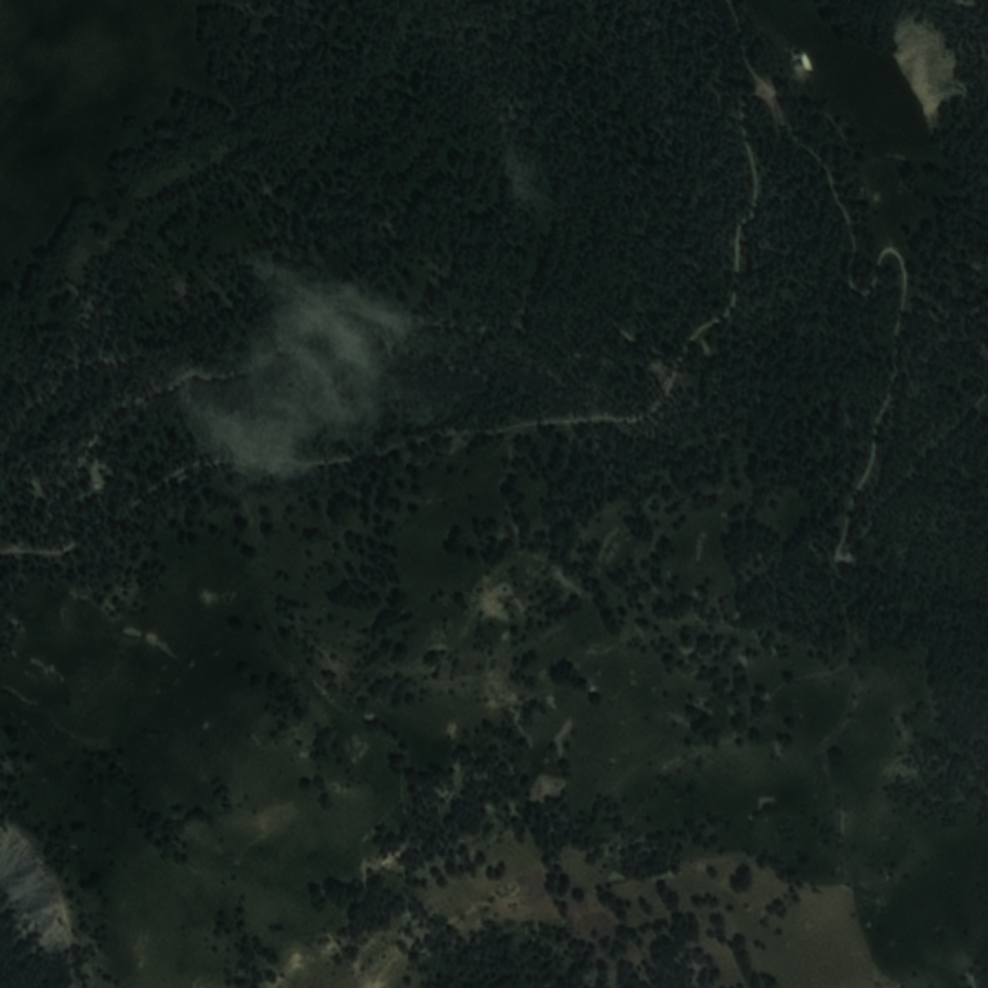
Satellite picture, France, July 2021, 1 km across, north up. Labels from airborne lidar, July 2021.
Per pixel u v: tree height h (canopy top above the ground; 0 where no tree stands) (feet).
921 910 0
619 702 0
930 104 0
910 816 0
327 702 0
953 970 0
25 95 0
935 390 55
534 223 103
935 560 60
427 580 0
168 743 0
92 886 48
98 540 68
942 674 63
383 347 50
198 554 0
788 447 44
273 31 52
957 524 55
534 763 0
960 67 42
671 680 0
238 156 62
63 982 21
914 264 56
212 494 74
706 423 37
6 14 0
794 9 0
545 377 44
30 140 0
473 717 0
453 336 78
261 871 0
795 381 94
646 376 91
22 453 40
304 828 0
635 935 63
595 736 0
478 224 102
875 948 0
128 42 0
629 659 0
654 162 84
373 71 52
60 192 0
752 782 0
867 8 93
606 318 94
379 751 0
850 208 46
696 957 30
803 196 86
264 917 0
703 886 0
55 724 0
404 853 39
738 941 47
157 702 0
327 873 0
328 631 0
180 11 0
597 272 98
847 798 0
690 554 0
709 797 0
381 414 48
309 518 0
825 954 0
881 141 0
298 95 77
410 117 84
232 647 0
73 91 0
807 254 79
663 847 51
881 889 0
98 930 25
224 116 76
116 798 0
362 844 0
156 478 76
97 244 0
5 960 48
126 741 0
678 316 76
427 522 0
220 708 0
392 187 48
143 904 0
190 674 0
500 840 20
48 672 0
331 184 94
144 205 40
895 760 0
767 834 0
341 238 89
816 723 0
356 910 65
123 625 0
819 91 0
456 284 72
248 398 36
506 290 94
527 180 72
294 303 87
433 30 48
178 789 0
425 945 21
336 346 50
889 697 0
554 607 31
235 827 0
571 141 97
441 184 97
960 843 0
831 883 0
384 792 0
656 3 64
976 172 50
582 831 42
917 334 70
